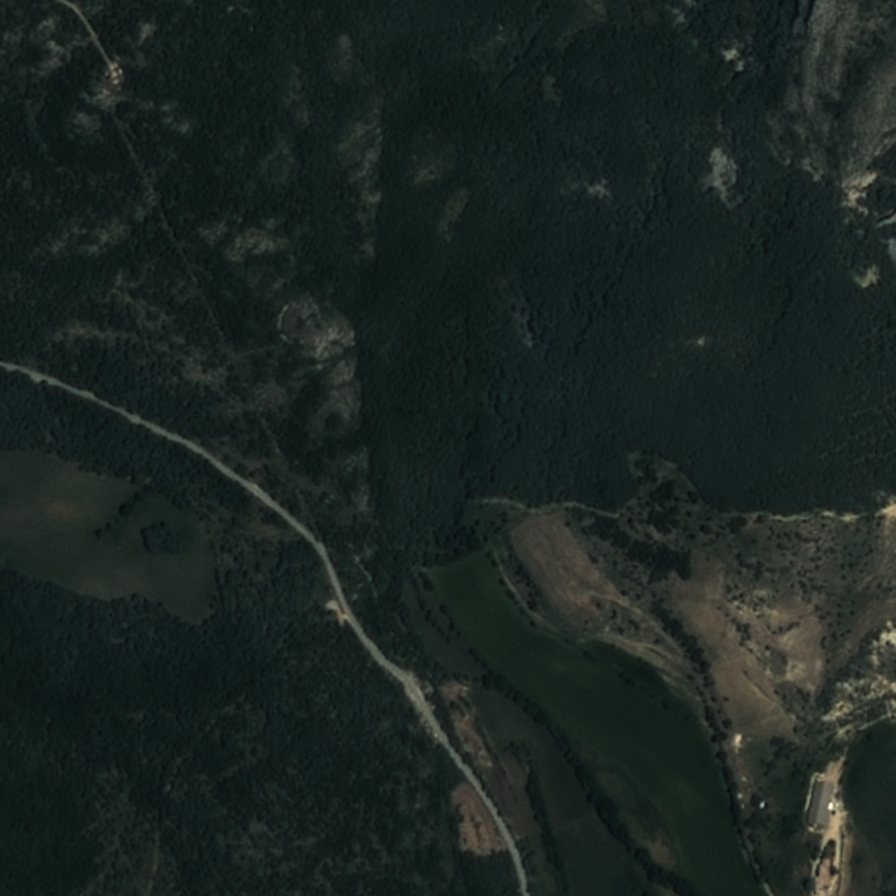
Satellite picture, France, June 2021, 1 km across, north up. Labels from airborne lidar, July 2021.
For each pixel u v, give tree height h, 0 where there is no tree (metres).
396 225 10
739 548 0
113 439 14
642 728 0
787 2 12
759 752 0
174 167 10
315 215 8
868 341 13
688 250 9
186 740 11
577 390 6
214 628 8
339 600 0
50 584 13
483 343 13
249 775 6
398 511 10
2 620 9
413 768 8
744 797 0
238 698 8
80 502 0
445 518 14
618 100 15
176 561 0
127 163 8
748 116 16
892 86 0
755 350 10
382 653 7
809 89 0
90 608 10
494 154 11
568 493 9
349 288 9
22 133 10
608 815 17
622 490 11
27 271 7
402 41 9
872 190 7
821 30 0
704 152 8
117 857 9
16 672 18
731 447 7
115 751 11
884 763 0
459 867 6
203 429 9
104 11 6
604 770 0
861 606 0
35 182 8
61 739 10
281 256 7
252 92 15
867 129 0
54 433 14
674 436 8
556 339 12
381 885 6
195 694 15
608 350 10
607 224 12
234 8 7
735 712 0
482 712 0
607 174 10
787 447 8
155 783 9
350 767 7
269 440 7
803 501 9
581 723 0
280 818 6
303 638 7
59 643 15
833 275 11
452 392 11
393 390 8
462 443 12
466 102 18
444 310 10
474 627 0
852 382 9
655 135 8
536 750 0
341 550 7
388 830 9
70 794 8
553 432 7
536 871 9
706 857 0
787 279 14
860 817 0
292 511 8
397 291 9
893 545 0
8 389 13
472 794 0
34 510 0
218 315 6
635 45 12
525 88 7
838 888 0
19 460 0
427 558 10
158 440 9
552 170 10
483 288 15
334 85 6
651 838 0
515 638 0
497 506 0
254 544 7
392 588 11
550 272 10
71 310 7
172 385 6
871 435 9
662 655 0
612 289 12
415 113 12
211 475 10
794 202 8
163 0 7
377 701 9
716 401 14
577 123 11
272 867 6
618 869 0
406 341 8
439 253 7
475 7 11
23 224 6
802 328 8
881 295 12
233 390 8
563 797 0
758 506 9
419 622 0
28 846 9
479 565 0
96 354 11
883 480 6
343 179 6
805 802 7
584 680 0
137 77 8
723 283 12
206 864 7
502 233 12
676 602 0
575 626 0
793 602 0
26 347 12
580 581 0
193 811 10
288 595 8
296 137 9
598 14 0
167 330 8
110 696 11
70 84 6
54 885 9
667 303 7
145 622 12
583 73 12
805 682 0
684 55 12
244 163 8
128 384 11
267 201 10
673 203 13
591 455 8
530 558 0
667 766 0
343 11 9
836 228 8
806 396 6
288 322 0
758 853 7
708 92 13
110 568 0
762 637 0
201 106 8
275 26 8
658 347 6
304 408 6
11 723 12
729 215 9
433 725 0
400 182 9
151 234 7
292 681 7
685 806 0
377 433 10
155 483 7
